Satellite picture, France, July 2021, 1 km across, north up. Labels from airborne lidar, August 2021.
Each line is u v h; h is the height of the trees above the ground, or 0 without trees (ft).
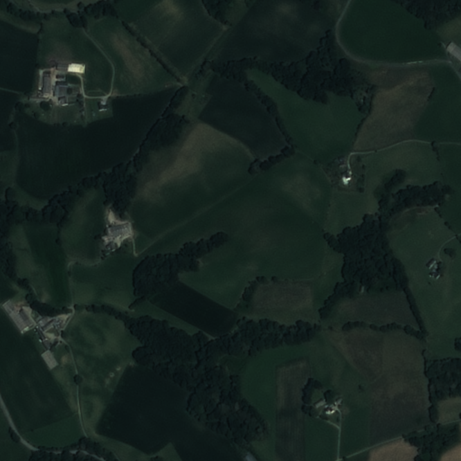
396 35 0
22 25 0
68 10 56
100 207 0
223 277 0
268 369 0
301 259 0
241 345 98
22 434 0
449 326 0
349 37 0
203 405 71
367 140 0
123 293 0
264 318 0
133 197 56
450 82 0
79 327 0
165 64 29
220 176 0
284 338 62
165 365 37
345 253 79
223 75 29
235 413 51
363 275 77
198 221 0
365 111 63
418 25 0
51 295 0
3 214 119
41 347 0
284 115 0
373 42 0
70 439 0
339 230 0
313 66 67
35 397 0
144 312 0
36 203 0
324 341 0
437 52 0
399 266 75
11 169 0
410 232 0
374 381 0
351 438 0
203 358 86
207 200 0
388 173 0
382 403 0
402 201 90
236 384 50
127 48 0
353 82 73
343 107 0
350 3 0
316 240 0
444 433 35
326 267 0
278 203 0
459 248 0
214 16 41
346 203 0
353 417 0
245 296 49
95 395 0
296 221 0
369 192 0
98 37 0
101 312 22
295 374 0
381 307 0
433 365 53
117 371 0
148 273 64
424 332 51
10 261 93
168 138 87
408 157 0
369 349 0
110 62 0
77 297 0
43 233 0
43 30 30
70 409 0
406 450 0
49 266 0
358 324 44
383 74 0
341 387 0
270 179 0
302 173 0
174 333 76
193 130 0
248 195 0
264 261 0
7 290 0
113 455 44
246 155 0
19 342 0
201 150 0
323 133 0
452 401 0
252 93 48
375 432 0
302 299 0
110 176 72
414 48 0
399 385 0
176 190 0
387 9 0
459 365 95
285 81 81
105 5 80
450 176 0
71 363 0
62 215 90
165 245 0
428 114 0
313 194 0
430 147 0
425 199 86
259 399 0
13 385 0
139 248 0
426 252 0
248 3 24
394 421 0
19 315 0
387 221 76
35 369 0
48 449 39
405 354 0
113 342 0
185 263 94
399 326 29
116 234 0
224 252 0
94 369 0
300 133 0
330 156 0
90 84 0
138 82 0
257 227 0
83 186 36
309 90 84
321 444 0
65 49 0
